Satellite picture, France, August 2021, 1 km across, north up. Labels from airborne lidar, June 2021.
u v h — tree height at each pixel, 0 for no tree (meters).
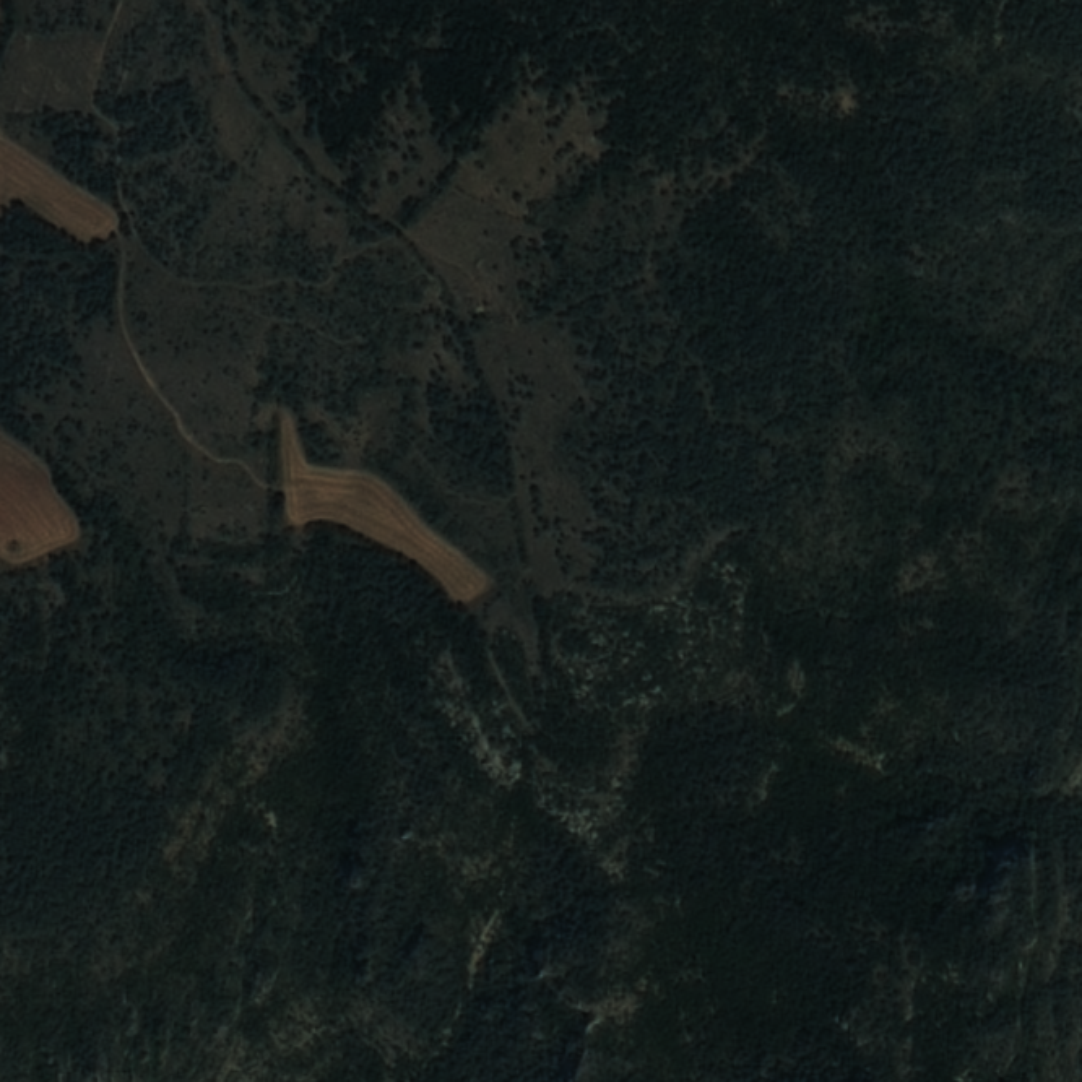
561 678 6
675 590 0
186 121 8
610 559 6
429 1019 8
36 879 9
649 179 7
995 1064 10
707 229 7
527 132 0
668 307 8
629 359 8
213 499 0
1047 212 8
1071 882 9
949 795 11
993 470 7
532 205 6
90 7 0
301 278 8
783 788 10
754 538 7
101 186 9
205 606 6
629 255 8
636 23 7
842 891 9
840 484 7
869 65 10
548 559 0
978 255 9
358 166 14
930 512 8
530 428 0
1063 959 6
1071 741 11
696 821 9
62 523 0
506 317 0
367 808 9
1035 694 11
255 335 0
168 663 6
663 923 8
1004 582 7
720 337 6
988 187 8
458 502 0
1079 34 9
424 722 11
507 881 7
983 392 9
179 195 7
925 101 9
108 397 0
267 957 11
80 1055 10
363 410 0
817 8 6
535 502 6
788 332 7
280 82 0
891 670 8
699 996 9
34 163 0
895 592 9
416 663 6
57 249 9
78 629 7
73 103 0
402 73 11
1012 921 7
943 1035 7
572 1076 8
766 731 6
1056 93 8
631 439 7
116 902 9
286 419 0
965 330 6
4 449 0
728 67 6
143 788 9
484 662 7
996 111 10
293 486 0
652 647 7
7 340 6
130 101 10
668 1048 8
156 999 8
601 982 5
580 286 6
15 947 10
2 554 0
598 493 6
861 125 6
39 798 7
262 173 0
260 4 10
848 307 8
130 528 6
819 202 9
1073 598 13
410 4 8
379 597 9
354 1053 6
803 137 8
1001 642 8
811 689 8
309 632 7
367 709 6
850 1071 7
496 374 0
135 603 6
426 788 7
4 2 7
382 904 11
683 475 7
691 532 8
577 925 7
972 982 8
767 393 6
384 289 6
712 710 9
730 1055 6
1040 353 10
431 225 0
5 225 10
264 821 8
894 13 7
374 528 0
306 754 7
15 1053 10
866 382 13
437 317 9
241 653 19
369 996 6
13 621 8
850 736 11
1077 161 6
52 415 0
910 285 9
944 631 8
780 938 7
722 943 10
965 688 11
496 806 7
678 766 13
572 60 11
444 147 7
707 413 7
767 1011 8
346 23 8
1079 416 8
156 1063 8
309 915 10
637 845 7
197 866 9
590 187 10
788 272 15
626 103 8
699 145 7
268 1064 6
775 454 7
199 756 8
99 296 8
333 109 10
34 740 6
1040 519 7
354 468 0
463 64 13
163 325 0
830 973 11
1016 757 11
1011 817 14
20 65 0
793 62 7
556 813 11
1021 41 6
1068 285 8
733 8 6
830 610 7
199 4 0
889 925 9
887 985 6
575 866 11
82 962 6
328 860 11
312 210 0
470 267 0
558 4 9
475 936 6
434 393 8
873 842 8
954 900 7
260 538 7
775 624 12
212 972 7
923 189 8
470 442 7
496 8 11
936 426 10
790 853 8
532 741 7
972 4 11
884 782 10
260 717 9
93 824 8
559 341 0
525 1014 7
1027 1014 13
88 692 6
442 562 0
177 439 0
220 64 0
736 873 12
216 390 0
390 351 0
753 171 7
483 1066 8
